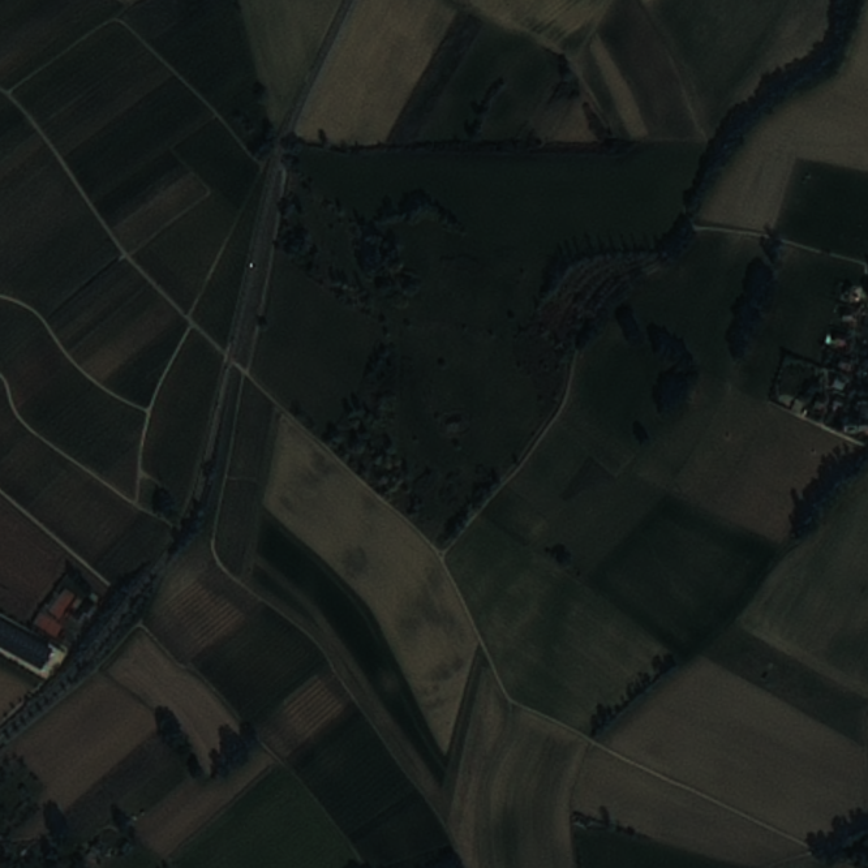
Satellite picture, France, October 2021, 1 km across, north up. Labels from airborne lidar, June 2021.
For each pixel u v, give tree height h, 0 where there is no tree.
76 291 0
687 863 0
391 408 6
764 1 0
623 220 0
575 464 0
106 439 0
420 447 0
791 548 0
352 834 0
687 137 0
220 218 0
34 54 0
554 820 0
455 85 0
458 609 0
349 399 0
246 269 0
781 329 0
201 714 0
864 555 0
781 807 0
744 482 0
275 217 0
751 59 0
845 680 0
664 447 0
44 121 0
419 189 0
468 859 0
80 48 0
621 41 0
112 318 0
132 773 0
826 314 0
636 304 0
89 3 0
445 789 0
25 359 0
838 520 0
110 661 0
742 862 0
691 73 0
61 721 0
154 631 0
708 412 0
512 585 0
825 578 0
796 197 0
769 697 0
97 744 0
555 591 0
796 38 0
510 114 0
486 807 0
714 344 0
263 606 0
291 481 0
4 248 0
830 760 0
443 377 0
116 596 7
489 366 0
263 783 0
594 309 24
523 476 0
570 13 0
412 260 0
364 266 16
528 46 0
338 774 0
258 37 0
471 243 0
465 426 0
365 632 0
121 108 0
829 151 0
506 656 0
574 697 0
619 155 0
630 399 0
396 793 0
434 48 0
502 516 0
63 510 0
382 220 9
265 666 0
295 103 0
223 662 0
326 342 0
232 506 0
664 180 0
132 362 0
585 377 0
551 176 0
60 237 0
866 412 0
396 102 0
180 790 0
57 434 0
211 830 0
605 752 0
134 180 0
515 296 0
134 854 0
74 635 0
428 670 0
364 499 0
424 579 0
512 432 0
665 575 0
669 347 15
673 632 0
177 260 0
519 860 0
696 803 0
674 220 0
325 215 0
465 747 0
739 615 0
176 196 0
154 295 0
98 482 0
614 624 0
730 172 0
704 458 0
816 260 0
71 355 0
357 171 0
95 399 0
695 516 0
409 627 0
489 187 0
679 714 0
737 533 0
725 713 0
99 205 0
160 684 0
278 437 0
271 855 0
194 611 0
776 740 0
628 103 0
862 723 0
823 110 0
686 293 0
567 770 0
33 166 0
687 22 0
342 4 0
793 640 0
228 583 0
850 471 11
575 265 21
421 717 0
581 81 0
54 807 0
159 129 0
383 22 0
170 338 0
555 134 0
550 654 0
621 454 0
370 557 0
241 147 0
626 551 0
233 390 0
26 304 0
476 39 0
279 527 0
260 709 0
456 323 0
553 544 0
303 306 0
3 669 0
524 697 0
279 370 0
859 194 0
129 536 0
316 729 0
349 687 0
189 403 0
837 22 15
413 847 0
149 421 0
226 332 0
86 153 0
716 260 0
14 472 0
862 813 0
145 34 0
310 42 0
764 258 0
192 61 0
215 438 0
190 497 0
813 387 7
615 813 0
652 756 0
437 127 0
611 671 0
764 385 0
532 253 0
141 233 0
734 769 0
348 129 0
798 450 0
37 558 0
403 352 0
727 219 0
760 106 12
